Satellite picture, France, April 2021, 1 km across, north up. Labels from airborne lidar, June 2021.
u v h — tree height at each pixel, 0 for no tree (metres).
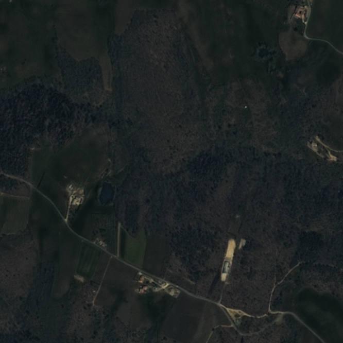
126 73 7
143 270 0
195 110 13
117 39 6
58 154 0
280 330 7
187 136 8
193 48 0
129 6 0
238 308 6
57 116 10
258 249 15
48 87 20
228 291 8
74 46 0
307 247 19
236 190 9
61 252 0
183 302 0
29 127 15
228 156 11
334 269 7
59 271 0
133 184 9
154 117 10
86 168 0
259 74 0
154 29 7
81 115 12
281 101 23
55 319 11
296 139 11
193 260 17
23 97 17
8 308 19
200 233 11
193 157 16
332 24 0
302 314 0
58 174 0
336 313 0
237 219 0
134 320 0
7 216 0
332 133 0
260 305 7
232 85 9
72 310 10
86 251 0
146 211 9
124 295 0
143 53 9
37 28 0
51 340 18
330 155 0
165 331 0
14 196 7
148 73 8
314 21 0
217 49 0
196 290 7
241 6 0
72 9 0
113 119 20
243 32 0
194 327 0
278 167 15
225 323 0
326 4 0
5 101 28
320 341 0
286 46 0
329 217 10
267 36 0
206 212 10
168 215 12
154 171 14
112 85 10
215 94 7
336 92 7
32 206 0
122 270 0
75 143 0
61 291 0
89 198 0
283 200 13
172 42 17
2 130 20
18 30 0
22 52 0
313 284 6
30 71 0
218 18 0
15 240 8
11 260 7
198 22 0
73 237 0
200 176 16
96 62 11
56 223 0
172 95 12
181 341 0
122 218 10
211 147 13
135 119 11
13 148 18
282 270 5
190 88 17
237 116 9
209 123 9
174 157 7
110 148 7
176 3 0
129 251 0
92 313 7
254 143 10
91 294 8
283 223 11
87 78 8
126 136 18
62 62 13
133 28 12
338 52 0
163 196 12
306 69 0
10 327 14
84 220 0
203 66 0
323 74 0
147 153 11
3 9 0
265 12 0
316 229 12
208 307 0
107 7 0
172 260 8
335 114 0
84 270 0
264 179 11
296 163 15
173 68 16
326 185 20
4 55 0
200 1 0
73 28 0
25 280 8
